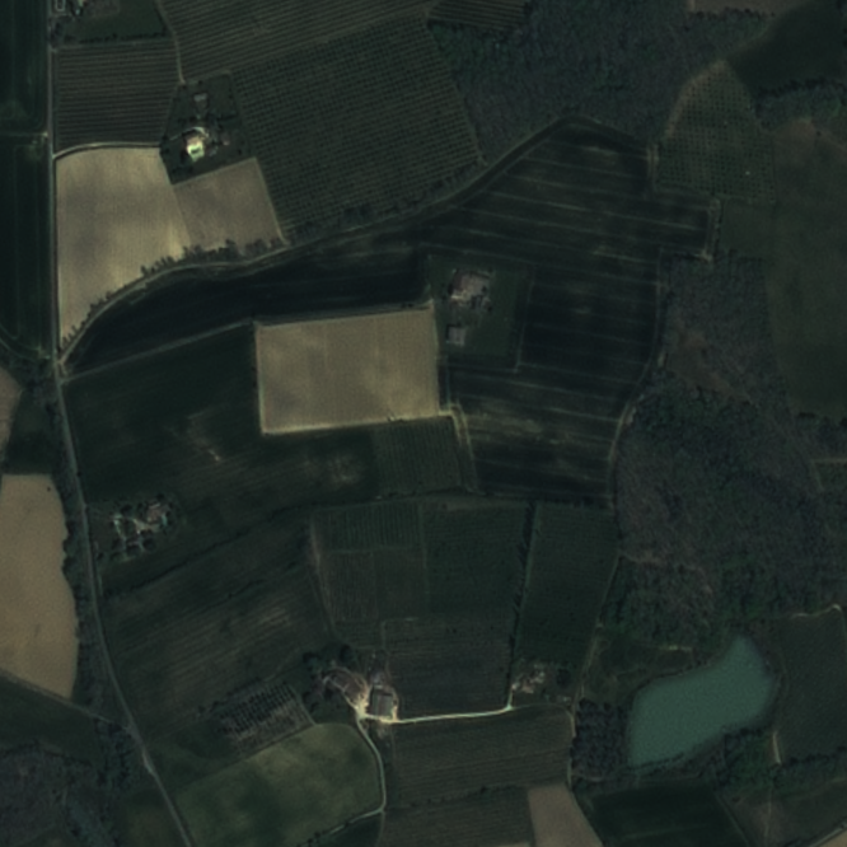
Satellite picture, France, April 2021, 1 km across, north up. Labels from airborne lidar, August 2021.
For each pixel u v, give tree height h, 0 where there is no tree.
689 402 18
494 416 0
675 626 19
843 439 20
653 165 0
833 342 0
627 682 0
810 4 0
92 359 0
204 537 0
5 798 11
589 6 22
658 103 17
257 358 0
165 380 0
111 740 9
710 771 8
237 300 0
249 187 0
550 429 0
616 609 9
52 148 0
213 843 0
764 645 0
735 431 14
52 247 0
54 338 0
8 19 0
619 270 0
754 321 12
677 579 20
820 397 0
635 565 7
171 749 0
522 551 0
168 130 0
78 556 12
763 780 24
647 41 19
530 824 0
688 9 16
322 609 0
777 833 0
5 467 8
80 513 12
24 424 0
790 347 0
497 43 14
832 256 0
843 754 15
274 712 6
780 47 0
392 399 0
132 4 0
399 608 0
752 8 0
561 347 0
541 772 0
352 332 0
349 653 11
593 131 0
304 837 0
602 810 0
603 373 0
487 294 7
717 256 9
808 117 17
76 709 0
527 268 0
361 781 0
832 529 15
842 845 0
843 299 0
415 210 20
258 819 0
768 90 0
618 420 0
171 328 0
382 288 0
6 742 0
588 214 0
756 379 19
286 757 0
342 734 0
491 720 0
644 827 0
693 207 0
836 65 0
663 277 0
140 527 0
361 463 0
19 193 0
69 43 12
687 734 0
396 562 0
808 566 16
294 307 0
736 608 17
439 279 0
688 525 16
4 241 0
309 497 0
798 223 0
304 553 15
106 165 0
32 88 0
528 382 0
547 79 20
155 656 0
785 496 15
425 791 0
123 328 0
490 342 0
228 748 0
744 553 21
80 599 12
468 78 16
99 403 0
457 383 0
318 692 9
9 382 0
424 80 6
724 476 16
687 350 0
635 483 15
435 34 14
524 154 0
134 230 0
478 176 12
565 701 0
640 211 0
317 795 0
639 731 0
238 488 0
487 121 14
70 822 10
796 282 0
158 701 0
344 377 0
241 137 0
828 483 7
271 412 0
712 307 11
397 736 0
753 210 0
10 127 0
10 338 0
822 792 0
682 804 0
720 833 0
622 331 0
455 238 0
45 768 14
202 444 0
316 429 0
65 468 10
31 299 0
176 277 0
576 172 0
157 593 0
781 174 0
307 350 0
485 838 0
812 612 17
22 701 0
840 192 0
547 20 20
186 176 6
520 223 0
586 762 12
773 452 17
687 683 0
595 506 18
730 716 0
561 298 0
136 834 0
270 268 0
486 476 0
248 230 0
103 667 10
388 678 0
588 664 0
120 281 0
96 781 16
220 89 0
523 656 6
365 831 0
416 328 0
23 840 11
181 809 0
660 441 12
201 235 0
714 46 18
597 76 20
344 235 0
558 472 0
